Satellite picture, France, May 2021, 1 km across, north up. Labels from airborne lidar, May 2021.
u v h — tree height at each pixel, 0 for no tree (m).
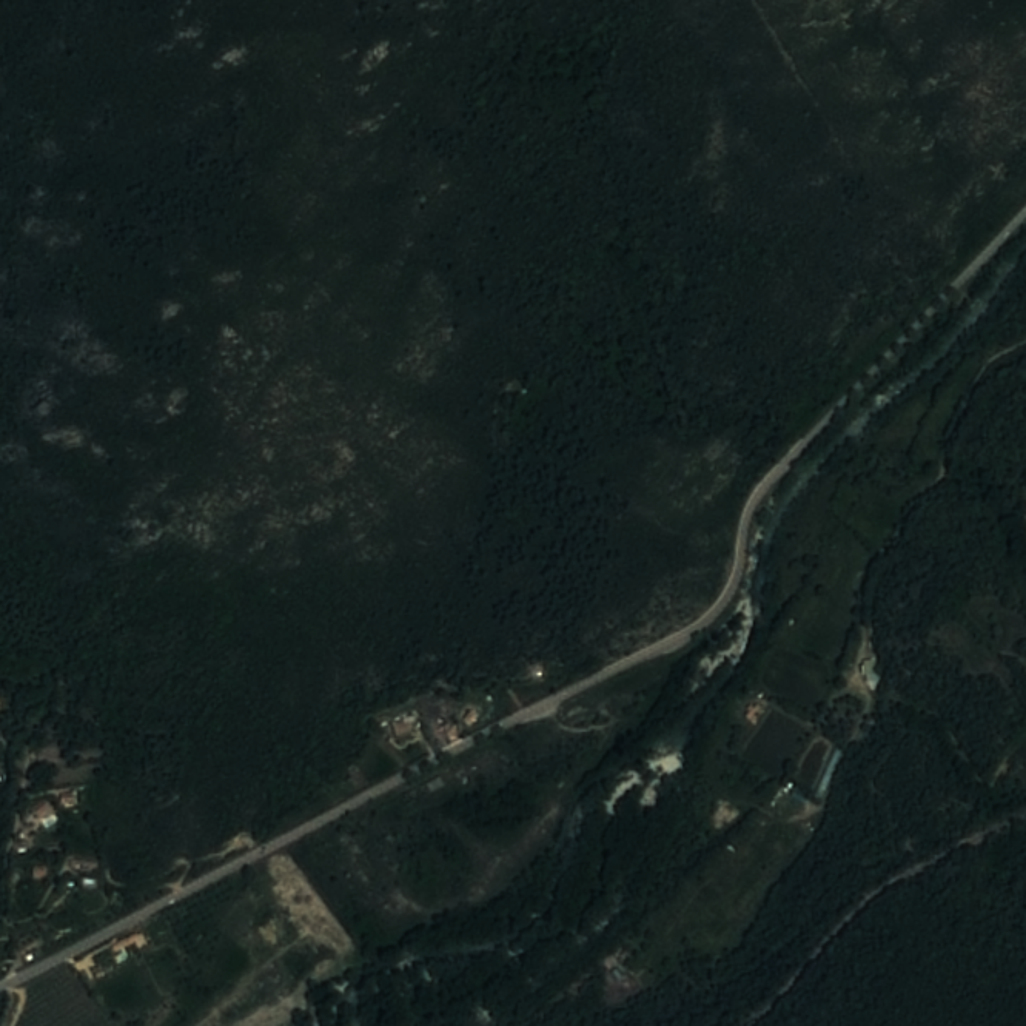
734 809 0
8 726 13
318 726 8
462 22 7
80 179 6
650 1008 6
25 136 6
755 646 17
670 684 12
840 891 7
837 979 11
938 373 11
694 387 16
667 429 13
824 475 7
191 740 10
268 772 7
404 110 9
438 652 9
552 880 16
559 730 0
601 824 16
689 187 7
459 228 6
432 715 0
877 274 7
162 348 11
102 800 0
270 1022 0
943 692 10
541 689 0
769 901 9
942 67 0
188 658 5
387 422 0
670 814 22
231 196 10
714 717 11
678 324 9
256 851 0
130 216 6
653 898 7
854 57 0
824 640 0
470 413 12
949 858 8
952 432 9
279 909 0
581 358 10
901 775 6
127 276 5
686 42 6
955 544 11
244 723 6
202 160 9
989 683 9
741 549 0
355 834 6
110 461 9
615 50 11
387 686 6
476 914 13
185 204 10
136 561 5
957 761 19
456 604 10
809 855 9
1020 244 13
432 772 17
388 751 0
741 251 9
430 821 7
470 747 0
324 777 6
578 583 13
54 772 13
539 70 13
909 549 12
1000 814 15
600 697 0
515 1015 13
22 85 6
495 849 0
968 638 0
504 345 5
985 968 8
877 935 10
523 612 7
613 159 6
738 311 8
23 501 6
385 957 23
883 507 0
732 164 5
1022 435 7
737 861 0
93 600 8
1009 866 9
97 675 5
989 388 7
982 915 7
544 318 6
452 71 7
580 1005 8
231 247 8
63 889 9
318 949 0
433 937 19
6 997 9
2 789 8
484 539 14
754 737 0
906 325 8
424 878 8
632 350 16
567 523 17
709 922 0
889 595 9
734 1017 17
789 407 12
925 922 9
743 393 16
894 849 9
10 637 7
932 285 9
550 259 7
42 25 5
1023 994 10
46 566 11
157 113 6
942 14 0
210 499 0
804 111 6
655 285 14
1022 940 12
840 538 0
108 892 8
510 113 7
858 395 17
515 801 13
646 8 9
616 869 19
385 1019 21
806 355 13
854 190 10
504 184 7
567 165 6
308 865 0
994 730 7
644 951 7
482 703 0
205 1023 0
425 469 0
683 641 0
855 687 0
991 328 11
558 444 15
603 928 15
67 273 7
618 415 12
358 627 7
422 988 18
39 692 15
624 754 31
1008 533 12
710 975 9
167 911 6
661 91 6
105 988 0
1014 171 5
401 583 6
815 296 9
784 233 8
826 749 0
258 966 0
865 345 0
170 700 5
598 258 11
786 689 0
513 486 16
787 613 11
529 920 17
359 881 0
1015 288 13
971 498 10
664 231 5
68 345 11
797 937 8
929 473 11
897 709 10
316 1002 13
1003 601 7
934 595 9
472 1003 18
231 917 0
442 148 14
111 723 7
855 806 14
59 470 9
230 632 6
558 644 7
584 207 6
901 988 8
